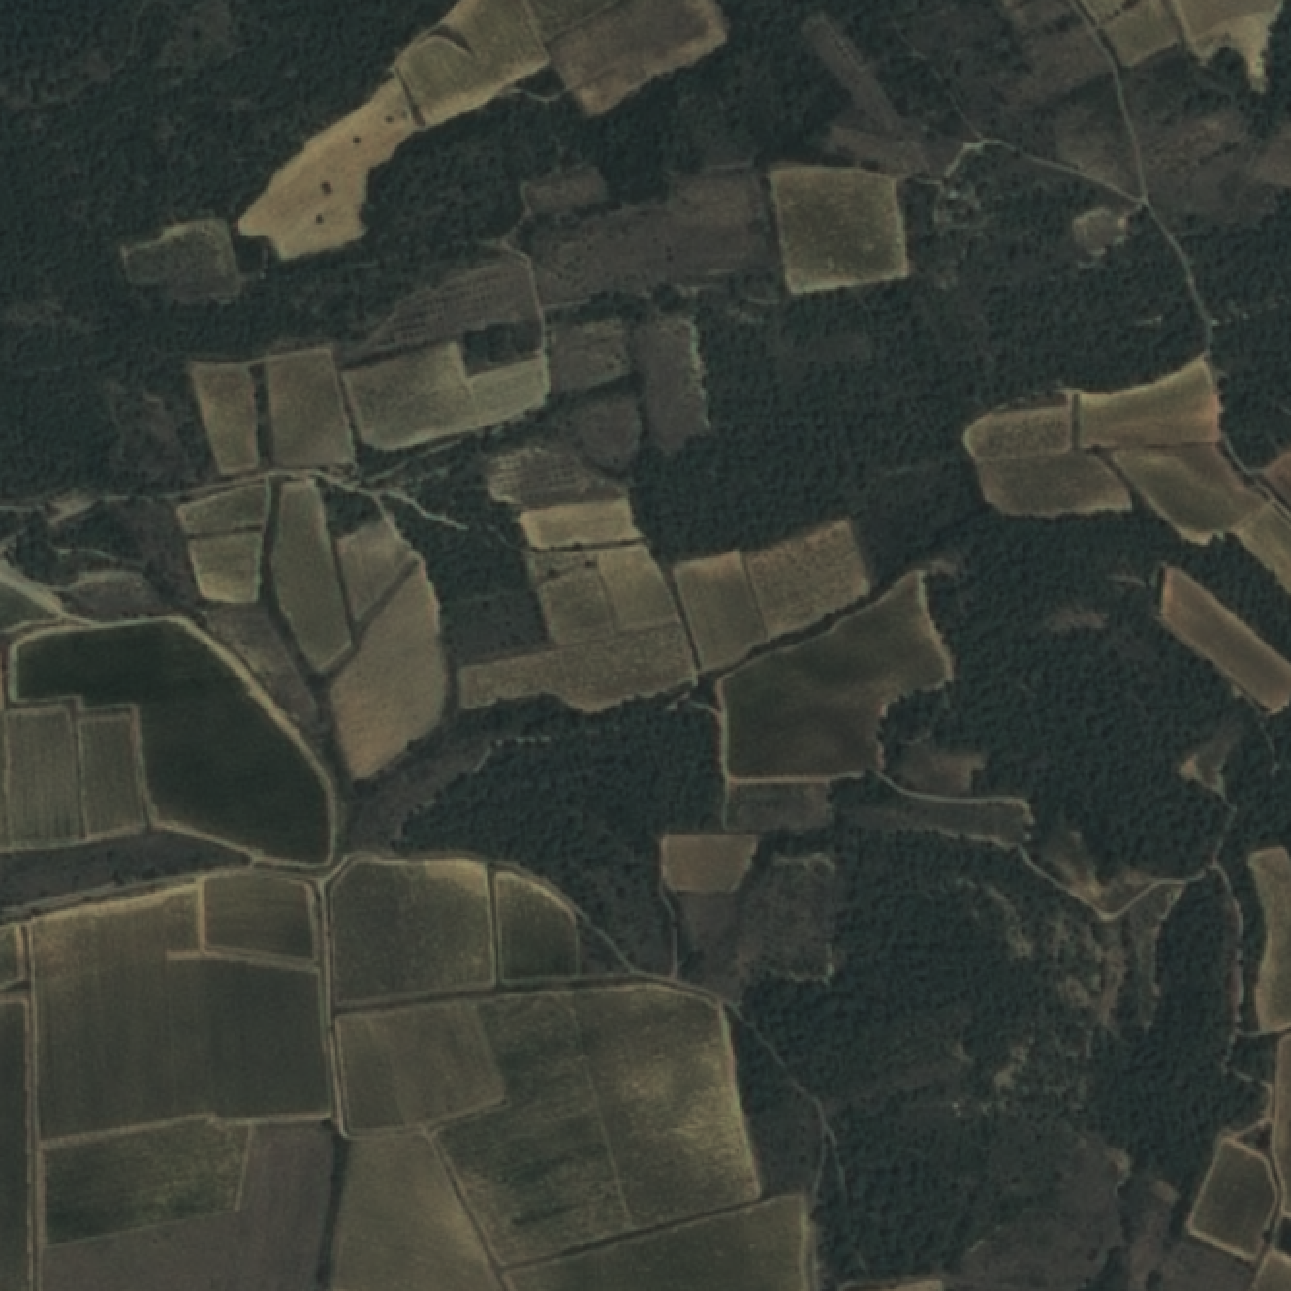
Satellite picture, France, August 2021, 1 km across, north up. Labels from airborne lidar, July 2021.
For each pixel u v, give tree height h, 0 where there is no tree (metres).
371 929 0
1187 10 0
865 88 0
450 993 0
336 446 0
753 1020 10
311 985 0
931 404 14
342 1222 0
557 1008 0
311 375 0
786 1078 11
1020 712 9
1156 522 11
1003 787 11
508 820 9
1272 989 0
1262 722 8
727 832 0
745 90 9
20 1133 0
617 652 0
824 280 0
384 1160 0
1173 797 10
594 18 0
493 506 7
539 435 7
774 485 9
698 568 0
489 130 8
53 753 0
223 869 0
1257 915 11
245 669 0
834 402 9
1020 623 7
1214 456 0
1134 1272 0
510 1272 0
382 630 0
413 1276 0
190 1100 0
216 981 0
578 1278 0
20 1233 0
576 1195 0
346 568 0
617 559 0
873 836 7
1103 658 9
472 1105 0
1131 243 7
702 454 10
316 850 0
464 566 8
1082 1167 0
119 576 0
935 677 0
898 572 7
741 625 0
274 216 0
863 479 11
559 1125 0
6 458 8
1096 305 10
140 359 10
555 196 0
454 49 0
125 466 8
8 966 0
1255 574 9
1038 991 9
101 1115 0
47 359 11
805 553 0
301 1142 0
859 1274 9
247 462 0
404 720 0
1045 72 0
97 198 9
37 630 0
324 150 0
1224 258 7
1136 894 0
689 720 10
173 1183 0
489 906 0
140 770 0
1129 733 12
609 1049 0
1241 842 11
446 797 8
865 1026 14
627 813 10
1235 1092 7
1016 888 7
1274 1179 0
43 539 8
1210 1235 0
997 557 9
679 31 0
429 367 0
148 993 0
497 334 10
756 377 8
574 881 7
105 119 10
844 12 8
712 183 0
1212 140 0
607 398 11
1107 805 8
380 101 0
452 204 7
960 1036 6
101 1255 0
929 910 11
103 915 0
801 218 0
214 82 9
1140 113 0
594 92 0
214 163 10
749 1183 0
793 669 0
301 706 0
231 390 0
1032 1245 0
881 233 0
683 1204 0
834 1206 10
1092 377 11
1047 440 0
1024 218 8
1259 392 10
